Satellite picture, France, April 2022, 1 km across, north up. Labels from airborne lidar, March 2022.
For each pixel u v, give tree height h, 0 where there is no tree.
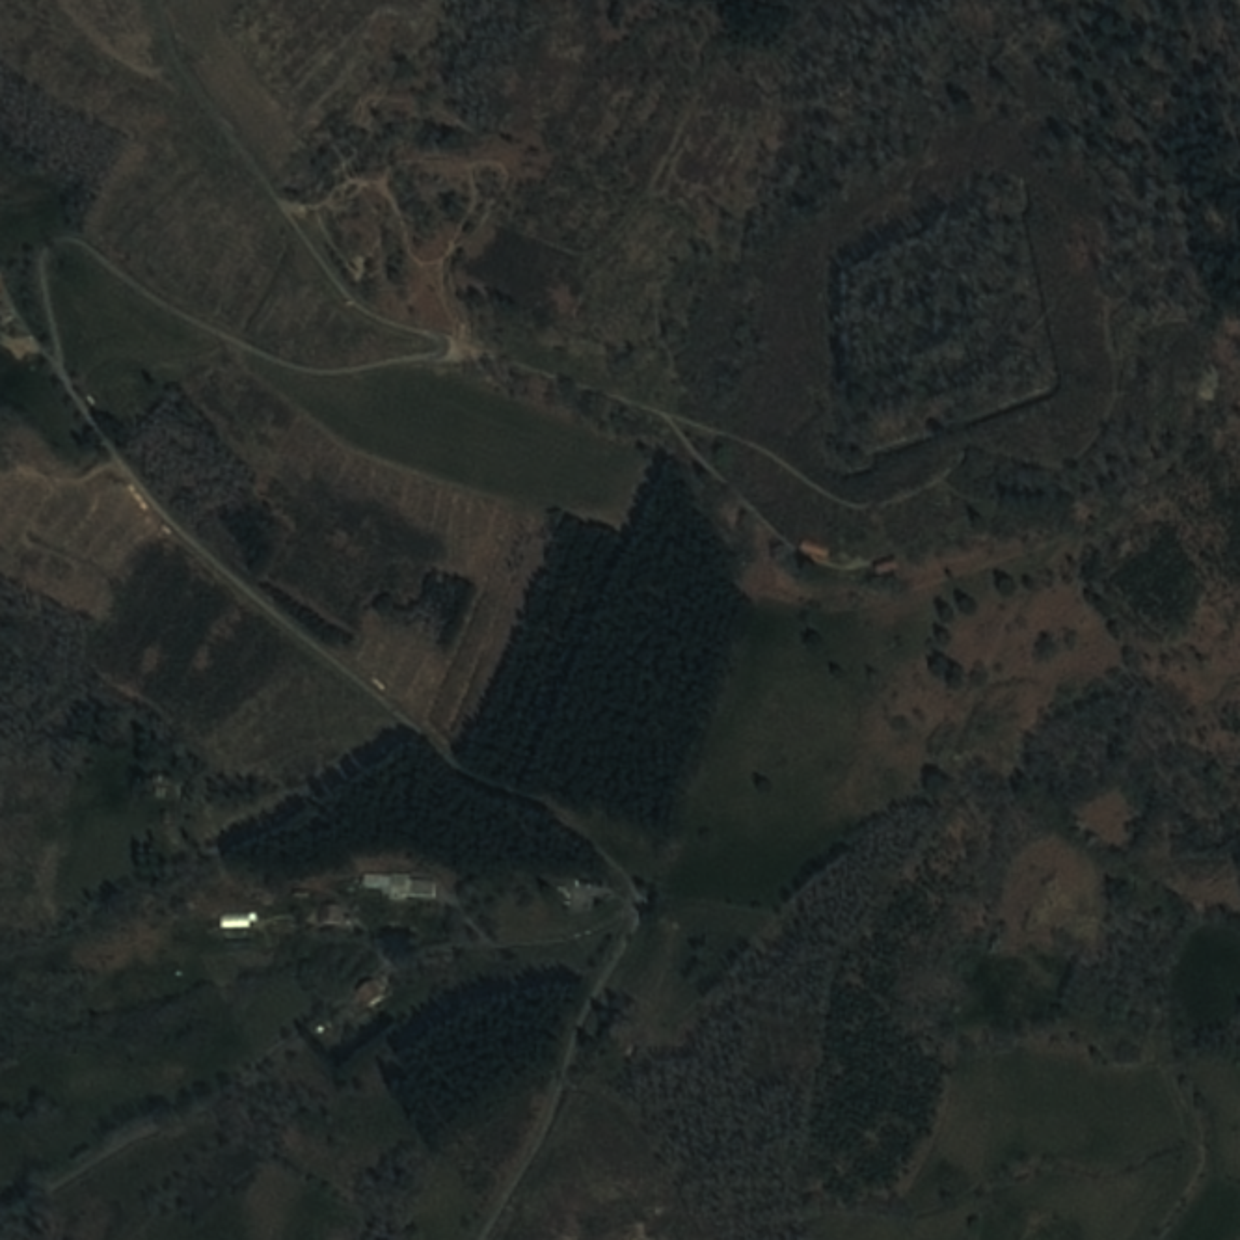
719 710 15
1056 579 17
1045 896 0
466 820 31
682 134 0
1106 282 19
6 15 0
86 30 0
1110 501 6
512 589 13
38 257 15
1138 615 6
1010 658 0
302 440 0
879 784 0
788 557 16
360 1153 0
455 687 16
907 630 0
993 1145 0
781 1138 25
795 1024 25
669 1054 0
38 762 28
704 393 8
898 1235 0
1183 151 30
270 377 0
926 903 6
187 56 0
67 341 0
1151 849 23
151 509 0
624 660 29
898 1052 5
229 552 16
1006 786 18
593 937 0
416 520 0
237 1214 0
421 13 0
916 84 16
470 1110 29
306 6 0
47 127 22
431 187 9
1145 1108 0
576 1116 0
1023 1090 0
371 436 0
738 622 32
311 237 0
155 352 0
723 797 0
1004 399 22
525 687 16
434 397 0
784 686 0
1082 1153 0
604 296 0
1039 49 16
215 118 0
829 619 0
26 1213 22
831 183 13
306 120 0
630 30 9
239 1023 0
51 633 10
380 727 0
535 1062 31
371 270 7
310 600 0
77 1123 0
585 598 16
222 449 15
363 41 0
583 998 24
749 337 16
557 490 0
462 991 0
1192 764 25
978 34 0
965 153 0
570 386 15
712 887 0
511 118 0
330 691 0
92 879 0
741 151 0
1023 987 0
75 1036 14
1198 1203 0
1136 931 19
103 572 0
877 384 20
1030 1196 0
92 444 21
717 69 0
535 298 0
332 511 0
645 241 0
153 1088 0
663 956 0
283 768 0
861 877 25
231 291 0
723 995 23
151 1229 0
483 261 0
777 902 0
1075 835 13
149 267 0
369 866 0
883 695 0
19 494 0
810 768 0
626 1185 0
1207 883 0
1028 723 0
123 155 19
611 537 19
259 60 0
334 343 0
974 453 13
